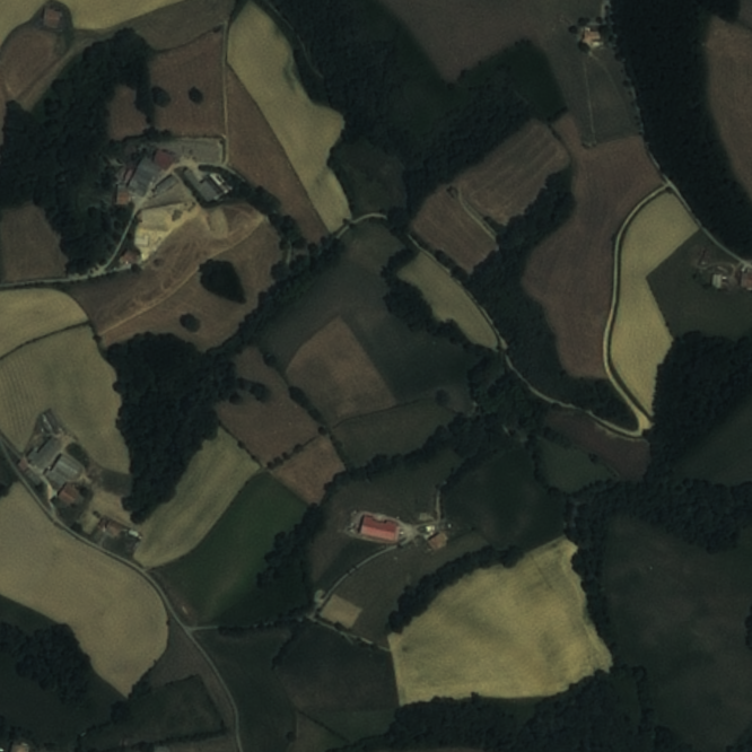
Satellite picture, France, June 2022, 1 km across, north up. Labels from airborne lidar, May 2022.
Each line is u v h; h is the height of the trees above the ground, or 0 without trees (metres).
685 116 26
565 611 0
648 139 18
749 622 13
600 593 8
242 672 0
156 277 0
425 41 0
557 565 0
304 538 21
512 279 8
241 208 0
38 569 0
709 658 0
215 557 0
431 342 0
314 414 10
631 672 10
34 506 0
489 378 0
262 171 0
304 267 22
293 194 0
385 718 0
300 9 11
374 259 0
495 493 0
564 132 0
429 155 8
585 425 0
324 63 9
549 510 0
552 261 0
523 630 0
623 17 22
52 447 0
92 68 20
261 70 0
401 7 0
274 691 0
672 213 0
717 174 9
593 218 0
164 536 0
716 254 0
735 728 0
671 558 0
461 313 0
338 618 0
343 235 0
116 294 0
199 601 0
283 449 0
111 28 0
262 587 13
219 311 0
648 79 19
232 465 0
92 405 0
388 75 8
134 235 10
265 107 0
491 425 19
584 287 0
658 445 17
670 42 30
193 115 0
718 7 21
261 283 0
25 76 0
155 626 0
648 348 0
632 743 27
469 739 16
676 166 20
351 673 0
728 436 0
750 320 0
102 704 0
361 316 0
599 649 0
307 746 0
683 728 0
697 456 0
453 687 0
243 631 14
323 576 0
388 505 0
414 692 0
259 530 0
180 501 0
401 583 0
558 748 24
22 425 0
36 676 25
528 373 7
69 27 0
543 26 0
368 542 0
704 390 28
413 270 0
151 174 0
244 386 21
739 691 0
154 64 0
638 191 0
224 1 0
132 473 11
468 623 0
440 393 11
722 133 0
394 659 0
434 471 0
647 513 8
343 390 0
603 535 6
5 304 0
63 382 0
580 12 0
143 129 0
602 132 0
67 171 21
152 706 0
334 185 0
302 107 0
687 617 0
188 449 18
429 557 0
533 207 14
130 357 26
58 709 0
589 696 20
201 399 18
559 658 0
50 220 8
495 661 0
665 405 19
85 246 15
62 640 18
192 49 0
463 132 19
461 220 0
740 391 24
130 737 0
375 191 0
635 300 0
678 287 0
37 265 0
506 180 0
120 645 0
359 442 0
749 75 0
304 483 0
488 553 20
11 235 0
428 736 19
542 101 0
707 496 19
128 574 0
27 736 8
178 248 0
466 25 0
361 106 15
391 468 16
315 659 0
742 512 19
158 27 0
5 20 0
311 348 0
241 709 0
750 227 24
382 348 0
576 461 0
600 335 0
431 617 0
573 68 0
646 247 0
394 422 0
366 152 0
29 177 22
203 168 9
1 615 0
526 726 8
